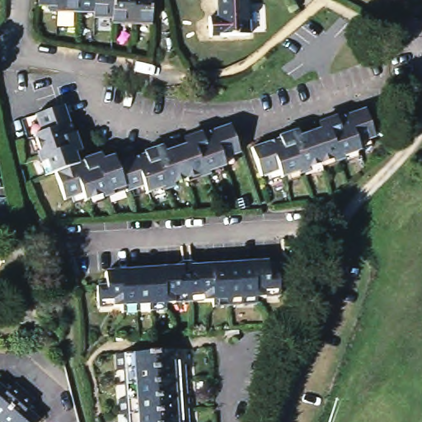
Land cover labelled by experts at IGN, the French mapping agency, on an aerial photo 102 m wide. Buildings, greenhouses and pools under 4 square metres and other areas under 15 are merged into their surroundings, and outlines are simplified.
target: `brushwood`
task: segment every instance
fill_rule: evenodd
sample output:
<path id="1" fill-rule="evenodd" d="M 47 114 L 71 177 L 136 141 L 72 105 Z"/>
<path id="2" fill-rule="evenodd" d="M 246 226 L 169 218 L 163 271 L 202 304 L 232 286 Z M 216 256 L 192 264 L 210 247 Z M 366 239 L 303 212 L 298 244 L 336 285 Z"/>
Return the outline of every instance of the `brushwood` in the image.
<path id="1" fill-rule="evenodd" d="M 69 340 L 69 330 L 74 323 L 74 310 L 71 308 L 73 293 L 69 293 L 68 297 L 59 298 L 58 302 L 36 302 L 33 310 L 38 318 L 33 321 L 33 330 L 18 328 L 18 336 L 13 338 L 0 333 L 0 351 L 8 351 L 21 358 L 38 353 L 41 349 L 48 349 L 46 358 L 59 366 L 63 363 L 63 358 L 56 346 L 61 340 Z"/>
<path id="2" fill-rule="evenodd" d="M 152 76 L 137 73 L 132 64 L 110 69 L 110 74 L 104 74 L 104 84 L 105 91 L 109 92 L 110 99 L 114 102 L 122 102 L 125 97 L 132 99 L 137 96 L 137 92 L 148 101 L 157 101 L 160 87 L 152 86 L 155 77 Z"/>
<path id="3" fill-rule="evenodd" d="M 132 345 L 137 341 L 153 341 L 157 338 L 155 326 L 143 326 L 142 313 L 134 313 L 137 316 L 137 325 L 125 325 L 124 335 L 120 338 L 129 340 L 130 345 Z"/>
<path id="4" fill-rule="evenodd" d="M 185 185 L 180 191 L 168 190 L 163 201 L 155 196 L 152 198 L 153 203 L 147 204 L 145 208 L 142 206 L 140 195 L 135 196 L 135 209 L 129 209 L 129 213 L 115 213 L 114 204 L 105 209 L 107 216 L 104 218 L 97 218 L 94 211 L 87 211 L 87 218 L 74 219 L 77 226 L 124 221 L 171 223 L 173 219 L 181 219 L 185 223 L 186 219 L 203 221 L 204 218 L 214 216 L 246 221 L 249 214 L 262 214 L 260 211 L 247 209 L 246 206 L 229 209 L 216 193 L 213 193 L 213 201 L 204 203 L 199 196 L 198 186 Z"/>
<path id="5" fill-rule="evenodd" d="M 204 87 L 199 84 L 195 74 L 188 71 L 185 79 L 178 82 L 178 99 L 203 102 L 206 99 Z"/>
<path id="6" fill-rule="evenodd" d="M 89 345 L 99 340 L 101 328 L 91 325 L 89 321 L 86 287 L 76 288 L 73 293 L 79 297 L 81 305 L 82 356 L 87 358 L 91 353 Z"/>
<path id="7" fill-rule="evenodd" d="M 349 180 L 353 173 L 349 168 L 349 162 L 343 160 L 335 165 L 325 166 L 323 171 L 330 185 L 330 193 L 318 193 L 312 175 L 308 175 L 308 196 L 295 195 L 292 180 L 284 176 L 269 178 L 270 185 L 265 186 L 264 190 L 260 188 L 259 180 L 254 181 L 259 204 L 267 204 L 267 209 L 285 209 L 292 206 L 302 206 L 302 209 L 307 204 L 321 206 L 335 203 L 335 193 L 341 188 L 340 185 L 336 185 L 336 173 L 343 171 L 346 180 Z"/>
<path id="8" fill-rule="evenodd" d="M 105 401 L 101 414 L 99 422 L 117 422 L 120 406 L 117 406 L 115 399 Z"/>
<path id="9" fill-rule="evenodd" d="M 368 369 L 369 361 L 374 356 L 381 321 L 374 316 L 374 310 L 381 310 L 382 303 L 391 305 L 392 297 L 397 292 L 397 280 L 404 270 L 406 244 L 412 239 L 412 236 L 404 231 L 404 227 L 397 226 L 392 218 L 396 216 L 397 206 L 401 206 L 402 203 L 391 196 L 401 195 L 404 190 L 422 185 L 422 148 L 402 163 L 401 168 L 384 185 L 379 186 L 373 195 L 369 195 L 369 237 L 374 252 L 364 260 L 361 269 L 359 280 L 356 280 L 354 285 L 358 298 L 353 302 L 351 305 L 353 312 L 358 315 L 358 321 L 354 325 L 354 331 L 349 331 L 348 336 L 340 340 L 340 345 L 333 346 L 335 358 L 330 369 L 336 374 L 336 379 L 335 386 L 330 392 L 333 401 L 335 397 L 345 396 L 349 399 L 354 396 L 359 389 L 359 374 Z"/>
<path id="10" fill-rule="evenodd" d="M 264 320 L 237 320 L 236 308 L 216 305 L 214 302 L 211 305 L 195 302 L 188 312 L 176 312 L 173 305 L 166 305 L 166 310 L 173 313 L 176 325 L 186 321 L 185 336 L 188 336 L 188 340 L 206 336 L 214 338 L 227 345 L 237 345 L 236 335 L 229 338 L 224 335 L 227 330 L 244 333 L 262 331 L 265 326 Z"/>
<path id="11" fill-rule="evenodd" d="M 0 176 L 7 204 L 12 208 L 21 208 L 23 199 L 0 107 Z"/>
<path id="12" fill-rule="evenodd" d="M 224 76 L 221 82 L 229 87 L 246 79 L 254 71 L 251 68 Z"/>
<path id="13" fill-rule="evenodd" d="M 112 25 L 109 16 L 101 16 L 97 20 L 86 18 L 84 13 L 77 13 L 74 16 L 74 33 L 71 35 L 61 30 L 58 21 L 51 18 L 48 13 L 43 13 L 41 8 L 31 8 L 33 40 L 38 45 L 48 48 L 49 53 L 56 53 L 56 49 L 66 46 L 79 49 L 82 54 L 89 54 L 91 59 L 102 59 L 104 63 L 114 63 L 115 59 L 124 56 L 153 64 L 155 68 L 162 66 L 163 63 L 166 48 L 165 41 L 162 41 L 162 33 L 153 26 L 148 28 L 147 25 L 132 25 L 132 21 Z"/>
<path id="14" fill-rule="evenodd" d="M 163 12 L 168 15 L 170 25 L 168 33 L 171 40 L 171 58 L 180 56 L 183 66 L 188 71 L 201 59 L 198 58 L 198 54 L 191 53 L 190 48 L 186 46 L 176 0 L 163 0 Z"/>
<path id="15" fill-rule="evenodd" d="M 26 181 L 26 191 L 35 206 L 38 218 L 45 219 L 46 214 L 35 191 L 35 186 L 40 183 L 38 173 L 35 170 L 30 175 L 30 181 Z"/>
<path id="16" fill-rule="evenodd" d="M 16 153 L 21 165 L 28 166 L 30 170 L 33 166 L 38 153 L 31 148 L 31 138 L 28 135 L 16 137 Z"/>
<path id="17" fill-rule="evenodd" d="M 115 386 L 119 384 L 119 377 L 115 374 L 112 371 L 105 373 L 94 364 L 97 382 L 104 386 Z"/>
<path id="18" fill-rule="evenodd" d="M 211 381 L 204 382 L 201 389 L 195 389 L 195 422 L 221 422 L 218 394 L 223 387 L 223 377 L 219 376 L 219 369 L 214 369 Z"/>

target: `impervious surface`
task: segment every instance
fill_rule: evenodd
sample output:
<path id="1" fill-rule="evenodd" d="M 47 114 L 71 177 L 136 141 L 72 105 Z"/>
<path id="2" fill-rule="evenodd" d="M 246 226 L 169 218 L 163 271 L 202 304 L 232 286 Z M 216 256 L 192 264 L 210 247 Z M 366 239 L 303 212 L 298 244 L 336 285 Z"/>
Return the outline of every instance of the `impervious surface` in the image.
<path id="1" fill-rule="evenodd" d="M 61 10 L 58 21 L 61 30 L 71 35 L 74 33 L 74 16 L 73 12 Z"/>
<path id="2" fill-rule="evenodd" d="M 76 397 L 71 391 L 68 377 L 68 369 L 71 369 L 69 359 L 73 356 L 69 340 L 61 340 L 56 346 L 63 358 L 63 363 L 59 366 L 46 358 L 48 349 L 41 349 L 38 353 L 21 358 L 8 351 L 0 351 L 0 369 L 10 371 L 13 376 L 26 377 L 33 386 L 40 389 L 43 402 L 49 407 L 48 417 L 40 422 L 79 422 Z"/>
<path id="3" fill-rule="evenodd" d="M 33 166 L 30 170 L 28 166 L 21 165 L 16 153 L 16 137 L 28 135 L 31 138 L 31 130 L 26 119 L 31 115 L 53 109 L 56 120 L 51 124 L 51 132 L 54 142 L 63 152 L 66 163 L 84 160 L 89 153 L 101 150 L 104 153 L 115 153 L 124 171 L 130 173 L 137 170 L 134 166 L 135 157 L 138 153 L 145 152 L 148 147 L 157 147 L 162 143 L 165 147 L 170 147 L 185 142 L 186 129 L 195 129 L 199 125 L 201 129 L 209 130 L 216 125 L 229 122 L 234 125 L 241 150 L 249 147 L 256 147 L 259 142 L 285 135 L 287 130 L 298 129 L 303 132 L 318 127 L 320 119 L 316 115 L 326 114 L 333 109 L 340 117 L 348 114 L 349 110 L 368 107 L 374 129 L 381 132 L 376 96 L 381 94 L 387 79 L 401 74 L 404 79 L 412 76 L 415 82 L 422 82 L 422 0 L 364 0 L 356 13 L 361 12 L 371 20 L 381 20 L 387 25 L 401 26 L 402 31 L 407 33 L 407 41 L 410 43 L 406 48 L 399 49 L 396 59 L 382 66 L 381 73 L 358 63 L 341 73 L 331 73 L 331 61 L 346 43 L 345 30 L 351 18 L 340 15 L 330 30 L 321 33 L 310 30 L 307 21 L 280 43 L 290 53 L 295 54 L 295 58 L 285 64 L 285 73 L 288 76 L 300 77 L 315 71 L 318 74 L 315 81 L 302 84 L 298 89 L 279 89 L 272 94 L 264 94 L 262 97 L 247 101 L 203 102 L 178 99 L 178 82 L 165 82 L 155 77 L 152 86 L 160 87 L 157 101 L 148 101 L 137 92 L 137 96 L 132 99 L 125 97 L 122 102 L 114 102 L 110 99 L 109 92 L 105 91 L 104 84 L 104 74 L 110 74 L 110 69 L 132 64 L 137 73 L 152 76 L 155 68 L 153 64 L 124 56 L 115 59 L 114 63 L 104 63 L 102 59 L 91 59 L 89 54 L 82 54 L 79 49 L 66 46 L 56 49 L 56 53 L 49 53 L 48 48 L 38 45 L 33 40 L 31 8 L 41 8 L 46 5 L 45 0 L 0 0 L 0 107 L 23 199 L 21 208 L 12 208 L 7 204 L 0 176 L 0 227 L 15 231 L 15 239 L 20 241 L 25 239 L 25 234 L 48 236 L 51 259 L 61 265 L 63 272 L 63 279 L 59 282 L 64 292 L 69 293 L 73 293 L 76 288 L 86 287 L 96 285 L 101 288 L 101 293 L 104 292 L 107 285 L 104 274 L 110 274 L 114 270 L 115 262 L 119 259 L 124 259 L 127 265 L 168 264 L 180 262 L 181 254 L 191 254 L 195 260 L 214 260 L 279 257 L 284 252 L 284 249 L 287 249 L 285 236 L 297 234 L 302 209 L 302 206 L 292 206 L 285 209 L 267 209 L 267 213 L 262 214 L 249 214 L 246 221 L 214 216 L 204 218 L 203 221 L 186 219 L 185 223 L 181 219 L 173 219 L 171 223 L 124 221 L 77 226 L 73 226 L 73 221 L 64 211 L 51 211 L 46 214 L 45 219 L 38 218 L 35 206 L 26 191 L 26 181 L 30 181 L 30 175 L 35 170 Z"/>
<path id="4" fill-rule="evenodd" d="M 265 31 L 265 8 L 262 7 L 259 10 L 259 25 L 254 30 L 223 33 L 226 40 L 251 40 L 257 33 Z"/>
<path id="5" fill-rule="evenodd" d="M 247 387 L 251 386 L 252 363 L 256 361 L 259 353 L 262 331 L 244 333 L 227 330 L 224 335 L 229 338 L 236 335 L 237 345 L 227 345 L 214 338 L 213 345 L 218 349 L 219 369 L 219 376 L 223 377 L 223 387 L 218 394 L 221 422 L 239 422 L 237 417 L 241 417 L 246 410 L 244 401 L 249 401 Z"/>

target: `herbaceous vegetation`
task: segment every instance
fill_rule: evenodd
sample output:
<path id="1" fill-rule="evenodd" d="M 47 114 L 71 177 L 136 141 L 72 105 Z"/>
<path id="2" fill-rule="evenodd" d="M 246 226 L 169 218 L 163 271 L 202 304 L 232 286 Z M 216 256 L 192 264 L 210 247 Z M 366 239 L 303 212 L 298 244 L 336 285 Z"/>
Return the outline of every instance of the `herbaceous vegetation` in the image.
<path id="1" fill-rule="evenodd" d="M 412 239 L 406 244 L 404 270 L 397 280 L 397 292 L 392 297 L 391 305 L 382 303 L 381 310 L 374 310 L 374 316 L 381 321 L 374 356 L 369 361 L 368 369 L 359 374 L 359 389 L 354 396 L 349 399 L 345 396 L 335 397 L 333 401 L 330 392 L 328 399 L 320 404 L 320 414 L 313 417 L 312 422 L 422 422 L 422 185 L 404 190 L 401 195 L 391 196 L 402 203 L 401 206 L 397 206 L 396 216 L 392 218 L 397 226 L 404 227 L 404 231 L 412 236 Z"/>
<path id="2" fill-rule="evenodd" d="M 204 382 L 211 381 L 214 369 L 219 369 L 218 349 L 213 345 L 214 338 L 206 336 L 188 340 L 188 336 L 185 336 L 186 321 L 176 325 L 173 313 L 166 310 L 163 315 L 158 312 L 142 313 L 143 326 L 155 326 L 157 338 L 153 341 L 137 341 L 132 345 L 135 351 L 160 348 L 163 353 L 173 354 L 176 359 L 188 356 L 195 349 L 195 364 L 191 368 L 195 389 L 201 389 Z"/>
<path id="3" fill-rule="evenodd" d="M 353 312 L 351 305 L 353 302 L 345 300 L 343 318 L 335 330 L 335 335 L 340 336 L 340 340 L 348 336 L 349 331 L 354 331 L 354 325 L 358 321 L 358 315 Z"/>
<path id="4" fill-rule="evenodd" d="M 323 171 L 312 175 L 318 193 L 330 193 L 330 185 Z"/>
<path id="5" fill-rule="evenodd" d="M 188 71 L 195 74 L 199 84 L 204 87 L 206 99 L 203 102 L 247 101 L 262 97 L 264 94 L 272 94 L 279 89 L 298 89 L 302 84 L 315 81 L 318 74 L 315 71 L 300 77 L 288 76 L 285 73 L 285 64 L 295 58 L 295 54 L 290 53 L 280 43 L 270 49 L 264 58 L 252 64 L 251 68 L 254 71 L 246 79 L 229 87 L 221 82 L 224 76 L 221 76 L 221 71 L 224 68 L 246 61 L 272 36 L 277 35 L 288 21 L 303 12 L 293 0 L 262 0 L 262 7 L 265 8 L 265 31 L 257 33 L 251 40 L 226 40 L 199 40 L 198 21 L 204 18 L 201 0 L 176 0 L 186 46 L 190 48 L 191 53 L 198 54 L 198 58 L 201 59 Z"/>
<path id="6" fill-rule="evenodd" d="M 340 15 L 330 8 L 321 8 L 307 21 L 310 30 L 321 33 L 330 30 Z"/>
<path id="7" fill-rule="evenodd" d="M 18 336 L 18 328 L 33 330 L 33 321 L 38 318 L 33 310 L 36 302 L 31 293 L 31 284 L 25 277 L 25 264 L 18 259 L 25 254 L 25 249 L 18 247 L 12 254 L 0 259 L 0 284 L 7 282 L 12 287 L 12 292 L 20 295 L 23 307 L 28 310 L 15 326 L 0 328 L 0 333 L 13 338 Z"/>
<path id="8" fill-rule="evenodd" d="M 183 66 L 180 56 L 171 58 L 171 40 L 168 33 L 170 25 L 168 15 L 163 12 L 162 33 L 162 41 L 165 41 L 166 48 L 163 63 Z"/>
<path id="9" fill-rule="evenodd" d="M 292 180 L 295 195 L 308 196 L 308 175 L 300 175 Z"/>
<path id="10" fill-rule="evenodd" d="M 140 195 L 142 206 L 145 208 L 147 204 L 153 203 L 152 198 L 155 196 L 147 195 L 142 190 L 135 190 L 117 203 L 110 201 L 110 198 L 76 201 L 74 206 L 64 211 L 73 221 L 73 226 L 77 226 L 74 219 L 87 218 L 87 211 L 94 211 L 97 218 L 104 218 L 107 216 L 105 209 L 114 204 L 115 213 L 129 213 L 129 209 L 135 209 L 135 196 Z"/>
<path id="11" fill-rule="evenodd" d="M 94 364 L 105 373 L 112 371 L 115 374 L 120 369 L 125 369 L 125 364 L 119 364 L 119 356 L 112 358 L 109 351 L 99 354 Z"/>
<path id="12" fill-rule="evenodd" d="M 373 152 L 368 153 L 368 158 L 363 162 L 363 168 L 353 173 L 349 180 L 346 180 L 343 171 L 336 173 L 336 185 L 340 185 L 341 188 L 335 193 L 335 203 L 348 221 L 346 229 L 349 237 L 343 241 L 341 249 L 345 256 L 341 262 L 345 272 L 358 274 L 358 269 L 361 269 L 364 260 L 374 252 L 369 237 L 369 195 L 363 190 L 364 185 L 386 165 L 392 155 L 387 148 L 382 147 L 382 140 L 379 138 L 377 142 L 373 142 L 373 147 Z"/>
<path id="13" fill-rule="evenodd" d="M 134 313 L 122 313 L 117 310 L 99 312 L 96 307 L 96 285 L 86 287 L 89 321 L 91 325 L 101 328 L 99 340 L 89 345 L 91 353 L 97 346 L 120 338 L 124 335 L 125 325 L 137 325 L 137 316 Z"/>
<path id="14" fill-rule="evenodd" d="M 216 193 L 229 209 L 246 206 L 247 209 L 260 211 L 262 214 L 267 213 L 267 209 L 267 204 L 259 204 L 254 181 L 259 180 L 260 188 L 264 190 L 265 186 L 270 185 L 269 178 L 257 176 L 249 147 L 241 150 L 241 153 L 232 153 L 229 165 L 211 170 L 209 176 L 203 176 L 201 181 L 198 181 L 198 186 L 199 196 L 204 203 L 213 201 L 213 193 Z"/>
<path id="15" fill-rule="evenodd" d="M 74 310 L 74 323 L 69 330 L 69 340 L 73 356 L 69 359 L 71 369 L 68 369 L 68 377 L 71 391 L 76 397 L 79 422 L 99 422 L 101 414 L 96 412 L 96 397 L 91 373 L 87 368 L 87 358 L 82 356 L 81 305 L 79 297 L 73 293 L 71 308 Z"/>
<path id="16" fill-rule="evenodd" d="M 237 320 L 264 320 L 265 313 L 265 308 L 260 303 L 246 310 L 236 308 Z"/>
<path id="17" fill-rule="evenodd" d="M 331 61 L 331 73 L 341 73 L 358 63 L 346 43 Z"/>

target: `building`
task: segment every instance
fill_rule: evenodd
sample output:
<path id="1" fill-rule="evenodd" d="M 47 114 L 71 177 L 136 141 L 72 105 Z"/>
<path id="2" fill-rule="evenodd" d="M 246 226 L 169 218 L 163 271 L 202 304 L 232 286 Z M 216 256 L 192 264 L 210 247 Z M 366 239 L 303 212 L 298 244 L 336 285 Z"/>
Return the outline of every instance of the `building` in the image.
<path id="1" fill-rule="evenodd" d="M 300 175 L 308 175 L 312 175 L 323 171 L 325 166 L 335 165 L 343 160 L 349 162 L 351 158 L 358 157 L 361 142 L 368 142 L 368 147 L 373 147 L 373 142 L 377 142 L 379 138 L 382 137 L 381 132 L 374 129 L 368 107 L 349 110 L 348 114 L 340 117 L 333 109 L 326 114 L 316 115 L 320 119 L 318 127 L 303 132 L 298 129 L 287 130 L 285 135 L 259 142 L 256 147 L 249 147 L 257 176 L 269 178 L 284 176 L 292 180 Z"/>
<path id="2" fill-rule="evenodd" d="M 61 10 L 73 12 L 74 16 L 77 13 L 84 13 L 86 18 L 97 20 L 101 16 L 109 16 L 112 25 L 132 21 L 132 25 L 147 25 L 148 28 L 153 26 L 162 33 L 163 12 L 163 0 L 45 0 L 46 5 L 41 8 L 43 13 L 48 13 L 51 18 L 58 21 Z"/>
<path id="3" fill-rule="evenodd" d="M 195 349 L 188 356 L 176 359 L 173 354 L 163 353 L 160 348 L 135 351 L 132 345 L 130 345 L 127 348 L 109 351 L 112 358 L 119 356 L 119 364 L 125 364 L 125 369 L 120 369 L 115 374 L 119 377 L 119 384 L 115 386 L 115 399 L 117 406 L 120 406 L 117 422 L 195 422 L 195 389 L 191 368 L 195 364 Z"/>
<path id="4" fill-rule="evenodd" d="M 0 369 L 0 422 L 40 422 L 48 417 L 49 407 L 43 402 L 40 389 L 33 386 L 26 377 L 13 376 L 10 371 Z"/>
<path id="5" fill-rule="evenodd" d="M 229 165 L 232 153 L 241 153 L 241 150 L 234 125 L 229 122 L 216 125 L 209 130 L 201 129 L 199 125 L 195 129 L 186 129 L 185 142 L 170 147 L 165 147 L 162 143 L 157 147 L 148 147 L 145 152 L 138 153 L 135 157 L 134 166 L 137 170 L 130 173 L 124 171 L 115 153 L 104 153 L 101 150 L 89 153 L 84 160 L 66 163 L 63 152 L 54 142 L 51 132 L 51 124 L 56 120 L 53 109 L 31 115 L 26 119 L 31 130 L 31 138 L 31 148 L 38 153 L 33 166 L 35 170 L 38 173 L 54 175 L 61 196 L 76 201 L 110 198 L 110 201 L 117 203 L 135 190 L 142 190 L 147 195 L 155 196 L 163 201 L 168 190 L 180 191 L 185 185 L 198 186 L 198 181 L 201 181 L 203 176 L 209 176 L 211 170 Z"/>
<path id="6" fill-rule="evenodd" d="M 191 254 L 181 254 L 180 262 L 168 264 L 127 265 L 124 259 L 119 259 L 115 262 L 114 270 L 110 274 L 104 274 L 107 285 L 104 292 L 101 293 L 101 288 L 96 285 L 96 307 L 99 312 L 117 310 L 122 313 L 134 313 L 142 313 L 158 312 L 163 315 L 166 310 L 166 305 L 173 305 L 176 312 L 188 312 L 195 302 L 211 305 L 214 302 L 216 305 L 236 308 L 246 310 L 260 303 L 265 308 L 265 313 L 277 316 L 280 277 L 284 277 L 287 264 L 284 252 L 279 257 L 214 260 L 195 260 Z"/>
<path id="7" fill-rule="evenodd" d="M 254 30 L 259 25 L 259 10 L 262 7 L 262 0 L 218 0 L 218 10 L 213 15 L 213 31 L 214 35 L 223 33 Z"/>

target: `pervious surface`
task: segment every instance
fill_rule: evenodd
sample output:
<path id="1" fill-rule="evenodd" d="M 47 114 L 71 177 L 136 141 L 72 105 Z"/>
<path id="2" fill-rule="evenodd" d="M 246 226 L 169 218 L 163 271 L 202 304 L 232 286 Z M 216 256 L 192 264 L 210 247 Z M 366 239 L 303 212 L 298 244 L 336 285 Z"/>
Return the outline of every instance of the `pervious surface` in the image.
<path id="1" fill-rule="evenodd" d="M 185 79 L 188 71 L 183 66 L 163 63 L 162 66 L 155 68 L 152 76 L 155 77 L 165 82 L 178 82 Z"/>
<path id="2" fill-rule="evenodd" d="M 91 373 L 96 397 L 96 412 L 101 414 L 105 401 L 115 399 L 115 386 L 104 386 L 97 382 L 94 364 L 99 354 L 109 351 L 127 348 L 130 345 L 129 340 L 120 338 L 97 346 L 91 353 L 87 358 L 87 368 Z"/>
<path id="3" fill-rule="evenodd" d="M 226 40 L 223 33 L 214 35 L 213 31 L 213 15 L 218 10 L 218 0 L 201 0 L 204 18 L 198 21 L 199 40 Z"/>
<path id="4" fill-rule="evenodd" d="M 379 186 L 384 185 L 401 168 L 402 163 L 422 148 L 422 134 L 417 135 L 409 147 L 392 155 L 386 165 L 364 185 L 363 190 L 369 195 L 373 195 Z"/>
<path id="5" fill-rule="evenodd" d="M 356 16 L 356 13 L 364 0 L 293 0 L 303 12 L 288 21 L 277 35 L 272 36 L 246 61 L 224 68 L 221 71 L 221 76 L 224 76 L 251 68 L 252 64 L 264 58 L 270 49 L 280 43 L 307 21 L 321 8 L 330 8 L 340 15 L 351 18 Z"/>
<path id="6" fill-rule="evenodd" d="M 368 142 L 361 142 L 358 157 L 351 158 L 349 162 L 349 168 L 353 173 L 363 168 L 363 162 L 368 158 L 368 153 L 373 152 L 373 147 L 368 147 Z"/>
<path id="7" fill-rule="evenodd" d="M 330 303 L 326 321 L 320 323 L 320 340 L 325 346 L 321 348 L 318 356 L 315 353 L 310 354 L 310 358 L 307 358 L 302 368 L 298 369 L 297 379 L 292 382 L 290 394 L 280 410 L 279 422 L 312 422 L 313 417 L 320 414 L 320 404 L 328 399 L 330 392 L 335 386 L 336 379 L 336 374 L 330 369 L 335 358 L 333 346 L 340 345 L 340 340 L 340 336 L 335 335 L 335 330 L 343 318 L 345 300 L 353 302 L 358 298 L 354 285 L 356 280 L 359 280 L 361 269 L 358 269 L 358 274 L 345 272 L 343 284 L 336 292 L 331 292 L 330 285 L 326 284 L 320 293 L 321 300 Z"/>
<path id="8" fill-rule="evenodd" d="M 61 196 L 54 175 L 38 173 L 40 183 L 35 186 L 35 191 L 46 214 L 51 211 L 64 211 L 74 206 L 76 201 Z"/>

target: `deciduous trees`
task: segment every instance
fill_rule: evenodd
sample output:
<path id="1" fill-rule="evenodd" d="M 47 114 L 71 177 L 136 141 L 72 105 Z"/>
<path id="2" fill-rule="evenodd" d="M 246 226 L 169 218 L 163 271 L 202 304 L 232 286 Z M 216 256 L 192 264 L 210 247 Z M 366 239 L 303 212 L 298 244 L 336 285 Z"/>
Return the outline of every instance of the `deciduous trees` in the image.
<path id="1" fill-rule="evenodd" d="M 402 31 L 401 26 L 387 25 L 381 20 L 371 20 L 361 12 L 356 13 L 356 16 L 351 18 L 345 30 L 346 43 L 358 63 L 381 73 L 382 66 L 396 59 L 399 49 L 406 48 L 410 43 L 407 41 L 407 33 Z"/>
<path id="2" fill-rule="evenodd" d="M 409 147 L 417 135 L 422 134 L 422 82 L 415 82 L 412 76 L 404 79 L 401 74 L 387 79 L 381 94 L 376 96 L 381 132 L 382 137 L 379 138 L 382 140 L 382 147 L 387 148 L 392 155 Z"/>
<path id="3" fill-rule="evenodd" d="M 0 328 L 15 326 L 28 310 L 23 307 L 20 295 L 12 292 L 12 287 L 7 282 L 0 284 Z"/>
<path id="4" fill-rule="evenodd" d="M 265 326 L 262 331 L 259 353 L 256 361 L 252 363 L 251 386 L 247 387 L 249 401 L 244 401 L 246 410 L 241 417 L 237 417 L 239 422 L 279 422 L 280 410 L 290 394 L 292 382 L 297 379 L 298 369 L 302 368 L 307 358 L 310 358 L 310 354 L 315 353 L 318 356 L 321 348 L 325 346 L 320 340 L 320 323 L 326 321 L 330 303 L 321 300 L 320 293 L 326 284 L 330 285 L 331 292 L 336 292 L 343 284 L 345 272 L 341 262 L 345 256 L 341 249 L 343 241 L 349 237 L 346 229 L 348 221 L 335 203 L 321 206 L 307 204 L 302 209 L 297 234 L 285 236 L 287 249 L 284 249 L 284 252 L 287 264 L 284 277 L 280 277 L 277 316 L 265 313 L 264 320 Z"/>
<path id="5" fill-rule="evenodd" d="M 58 302 L 59 298 L 68 297 L 69 293 L 64 292 L 59 282 L 63 279 L 63 272 L 61 265 L 51 259 L 48 236 L 25 234 L 25 239 L 20 241 L 15 239 L 15 231 L 0 227 L 0 259 L 12 254 L 18 247 L 25 249 L 25 254 L 18 259 L 25 264 L 25 277 L 31 284 L 31 293 L 36 302 Z"/>

